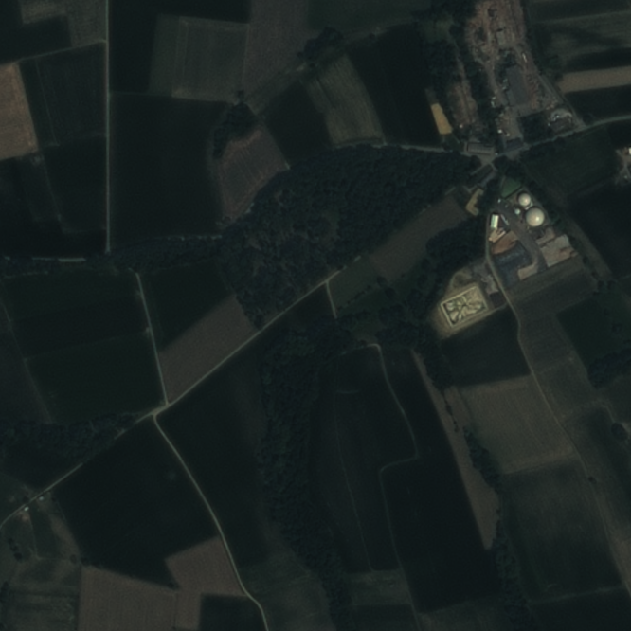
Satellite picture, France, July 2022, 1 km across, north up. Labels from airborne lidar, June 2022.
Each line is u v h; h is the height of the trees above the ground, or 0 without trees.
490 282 0
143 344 0
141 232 0
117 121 0
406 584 0
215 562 0
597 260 0
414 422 0
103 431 17
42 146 0
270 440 15
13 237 0
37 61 0
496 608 0
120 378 0
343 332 20
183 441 0
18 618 0
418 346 23
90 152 0
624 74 0
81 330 0
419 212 17
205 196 0
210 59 0
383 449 0
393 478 0
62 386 0
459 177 24
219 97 0
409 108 0
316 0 0
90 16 0
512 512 0
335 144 0
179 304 0
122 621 0
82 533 0
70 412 0
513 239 0
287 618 0
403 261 0
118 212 0
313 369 23
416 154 21
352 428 0
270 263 25
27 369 0
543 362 0
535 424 0
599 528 0
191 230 0
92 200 0
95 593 0
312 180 17
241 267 27
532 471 0
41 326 0
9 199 0
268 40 0
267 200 15
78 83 0
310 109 0
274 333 0
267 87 0
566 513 0
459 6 19
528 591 0
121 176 0
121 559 0
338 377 0
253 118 7
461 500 0
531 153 12
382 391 0
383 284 16
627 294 0
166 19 0
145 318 0
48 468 0
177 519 0
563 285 0
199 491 0
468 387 0
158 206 0
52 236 0
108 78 0
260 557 0
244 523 0
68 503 0
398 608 0
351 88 0
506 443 0
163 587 0
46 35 0
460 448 0
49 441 25
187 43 0
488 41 0
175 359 0
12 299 0
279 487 22
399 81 0
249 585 0
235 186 0
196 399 0
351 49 0
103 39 0
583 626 0
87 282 0
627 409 0
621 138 0
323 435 0
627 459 0
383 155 23
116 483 0
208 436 0
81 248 0
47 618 0
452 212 0
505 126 0
